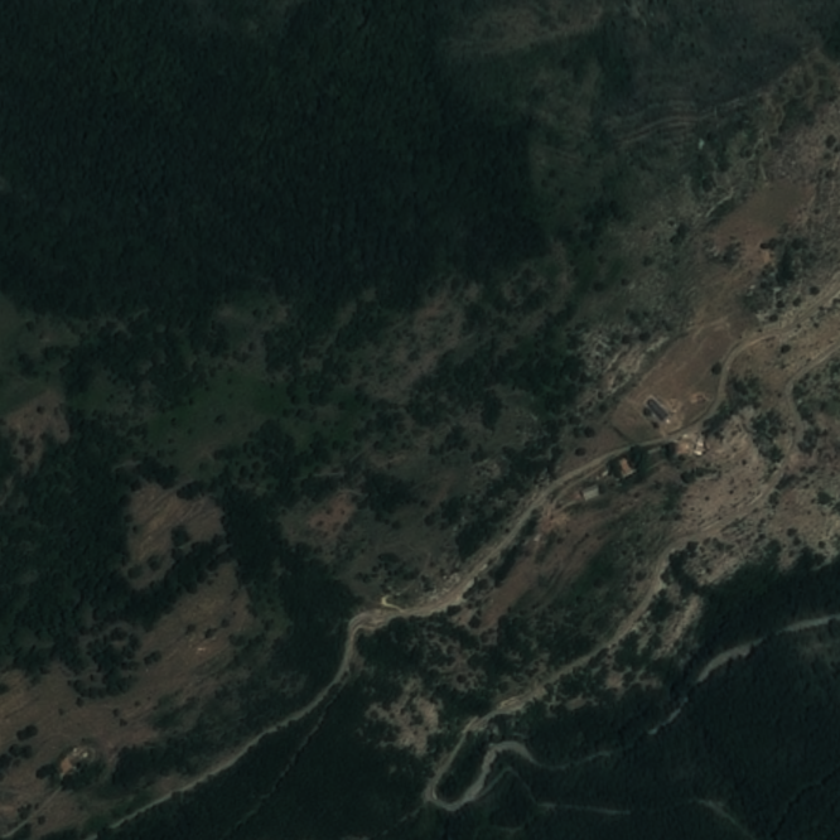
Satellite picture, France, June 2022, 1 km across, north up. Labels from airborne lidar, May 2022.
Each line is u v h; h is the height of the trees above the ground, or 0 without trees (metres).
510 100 8
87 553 14
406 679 6
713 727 13
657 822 15
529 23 0
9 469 9
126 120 17
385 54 13
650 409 9
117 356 9
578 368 9
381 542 0
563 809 7
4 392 0
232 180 10
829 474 0
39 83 14
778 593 20
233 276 7
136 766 12
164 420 0
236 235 7
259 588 9
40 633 15
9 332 0
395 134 8
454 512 10
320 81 17
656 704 13
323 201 16
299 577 13
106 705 0
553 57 7
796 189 0
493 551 0
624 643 7
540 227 9
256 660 0
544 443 8
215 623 0
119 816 10
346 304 6
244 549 13
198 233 13
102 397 0
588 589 0
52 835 7
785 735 14
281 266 12
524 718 8
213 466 0
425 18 14
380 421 7
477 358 6
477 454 6
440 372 8
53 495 10
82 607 16
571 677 8
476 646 10
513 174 11
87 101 17
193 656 0
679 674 10
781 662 13
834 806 13
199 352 9
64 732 0
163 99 19
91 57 15
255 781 12
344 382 8
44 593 13
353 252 13
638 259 0
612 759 9
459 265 6
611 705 7
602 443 0
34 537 9
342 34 15
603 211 9
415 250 8
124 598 11
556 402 9
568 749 13
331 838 15
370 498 9
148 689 0
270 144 14
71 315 11
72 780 16
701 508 0
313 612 12
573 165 0
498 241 7
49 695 0
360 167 9
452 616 9
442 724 7
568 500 0
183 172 13
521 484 9
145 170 15
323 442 11
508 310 8
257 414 0
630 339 10
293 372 9
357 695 11
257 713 7
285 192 16
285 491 11
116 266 6
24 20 13
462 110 11
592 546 0
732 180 0
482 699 9
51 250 7
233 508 16
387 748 7
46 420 0
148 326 10
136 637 10
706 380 0
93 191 10
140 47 13
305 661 10
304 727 8
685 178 0
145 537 0
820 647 0
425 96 14
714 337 0
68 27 13
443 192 7
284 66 12
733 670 8
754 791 14
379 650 16
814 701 7
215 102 12
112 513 15
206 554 16
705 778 8
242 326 0
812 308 0
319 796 13
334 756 14
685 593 11
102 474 16
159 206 15
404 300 10
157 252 7
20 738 12
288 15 7
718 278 0
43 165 14
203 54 10
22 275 11
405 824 10
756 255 0
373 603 0
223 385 0
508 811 9
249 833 13
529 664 7
